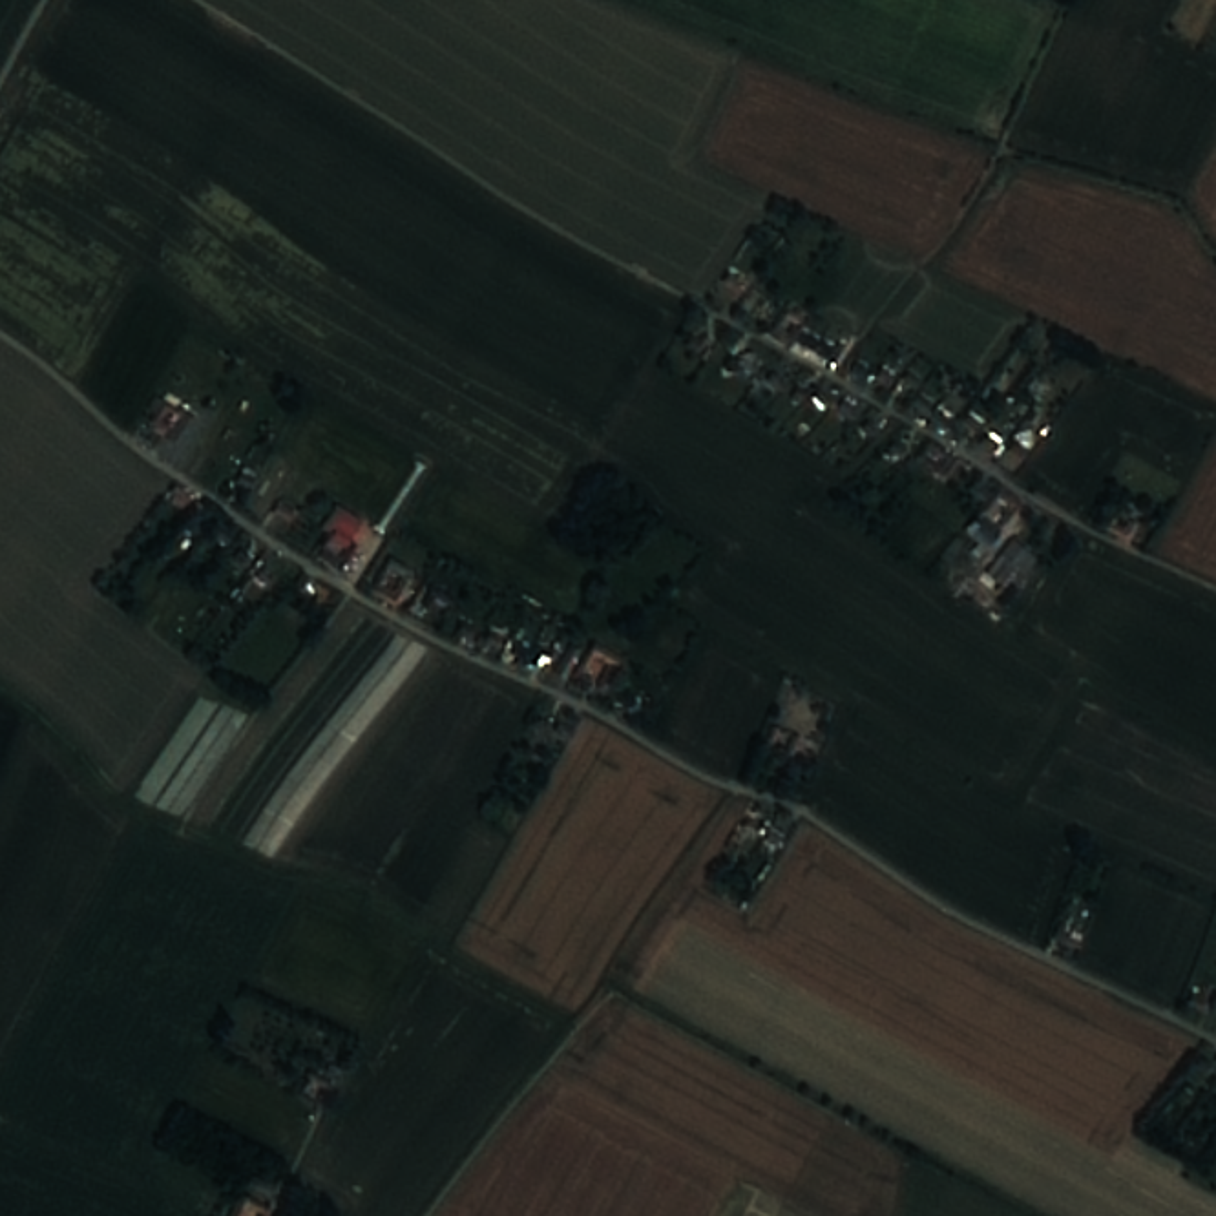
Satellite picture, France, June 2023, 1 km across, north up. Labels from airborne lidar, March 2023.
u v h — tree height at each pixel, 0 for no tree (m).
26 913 0
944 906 0
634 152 0
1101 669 0
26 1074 0
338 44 0
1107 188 0
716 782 0
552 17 0
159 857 0
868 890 0
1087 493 0
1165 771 0
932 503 0
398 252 0
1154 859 0
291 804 0
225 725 0
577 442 0
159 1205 0
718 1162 0
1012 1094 0
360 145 0
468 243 0
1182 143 0
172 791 0
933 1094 0
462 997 0
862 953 0
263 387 0
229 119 0
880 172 0
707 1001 0
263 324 0
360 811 0
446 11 0
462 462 0
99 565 0
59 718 0
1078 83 0
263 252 0
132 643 0
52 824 0
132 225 0
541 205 0
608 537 21
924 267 0
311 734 0
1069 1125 0
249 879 0
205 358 0
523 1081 0
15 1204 0
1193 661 0
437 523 0
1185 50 0
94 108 0
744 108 0
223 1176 17
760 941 0
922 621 0
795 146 0
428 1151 0
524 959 0
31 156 0
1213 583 0
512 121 0
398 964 0
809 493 0
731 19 0
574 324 0
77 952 0
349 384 0
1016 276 0
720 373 0
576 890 0
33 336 0
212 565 9
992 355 0
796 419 0
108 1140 0
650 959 0
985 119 0
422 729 0
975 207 0
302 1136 0
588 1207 0
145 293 0
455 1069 0
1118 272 0
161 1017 0
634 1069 0
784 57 0
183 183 0
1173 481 0
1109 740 0
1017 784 0
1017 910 0
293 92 0
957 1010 0
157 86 0
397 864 0
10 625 0
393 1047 0
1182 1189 0
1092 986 0
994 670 0
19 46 0
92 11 0
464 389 0
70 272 0
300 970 0
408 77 0
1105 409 0
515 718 0
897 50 0
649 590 0
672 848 0
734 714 0
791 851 0
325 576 0
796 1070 0
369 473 0
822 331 0
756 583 0
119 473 0
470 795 0
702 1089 0
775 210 10
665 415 0
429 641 0
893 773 0
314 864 0
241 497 11
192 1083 0
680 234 0
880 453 7
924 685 0
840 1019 0
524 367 0
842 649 0
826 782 0
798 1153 0
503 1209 0
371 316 0
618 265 0
